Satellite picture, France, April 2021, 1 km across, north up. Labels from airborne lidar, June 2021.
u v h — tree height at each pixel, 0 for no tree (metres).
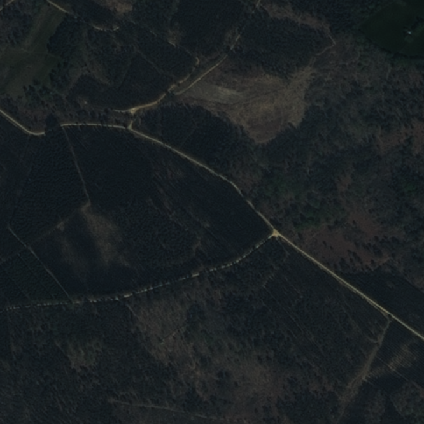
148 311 11
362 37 19
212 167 18
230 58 18
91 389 8
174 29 20
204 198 8
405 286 11
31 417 13
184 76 19
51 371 15
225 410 7
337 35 9
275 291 9
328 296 9
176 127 18
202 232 14
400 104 11
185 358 13
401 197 17
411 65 11
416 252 12
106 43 23
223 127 11
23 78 0
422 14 0
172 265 19
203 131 10
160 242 21
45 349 15
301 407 23
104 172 12
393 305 11
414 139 11
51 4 0
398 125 7
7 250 11
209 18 10
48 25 0
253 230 11
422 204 6
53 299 15
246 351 7
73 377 12
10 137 9
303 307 19
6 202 11
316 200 19
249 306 16
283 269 10
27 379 12
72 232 10
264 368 9
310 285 11
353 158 23
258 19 17
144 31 17
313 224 13
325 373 19
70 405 13
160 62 18
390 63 11
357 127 14
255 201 10
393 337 8
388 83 14
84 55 16
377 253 15
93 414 14
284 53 18
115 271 9
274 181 22
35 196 19
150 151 10
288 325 10
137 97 11
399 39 0
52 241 10
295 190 22
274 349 14
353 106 10
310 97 6
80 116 15
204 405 10
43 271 15
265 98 0
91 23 20
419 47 0
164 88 11
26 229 20
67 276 10
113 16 7
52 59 0
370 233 0
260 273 14
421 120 12
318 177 18
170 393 14
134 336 14
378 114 15
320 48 18
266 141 0
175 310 14
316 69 6
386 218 8
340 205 20
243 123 0
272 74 17
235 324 17
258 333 12
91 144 11
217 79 0
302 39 17
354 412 7
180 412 9
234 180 18
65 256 7
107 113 15
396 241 16
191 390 7
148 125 15
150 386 15
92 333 18
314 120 18
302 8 12
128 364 15
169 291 22
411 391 8
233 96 0
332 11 9
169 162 6
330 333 21
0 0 6
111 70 20
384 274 10
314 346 10
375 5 13
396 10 0
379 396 12
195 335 17
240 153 26
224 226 11
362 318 11
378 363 9
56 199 18
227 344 13
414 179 15
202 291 12
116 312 15
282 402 18
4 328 16
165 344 12
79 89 10
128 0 11
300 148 18
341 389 14
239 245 10
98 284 9
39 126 13
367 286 10
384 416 9
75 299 15
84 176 11
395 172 12
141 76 10
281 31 18
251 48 10
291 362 12
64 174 17
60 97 6
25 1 9
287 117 0
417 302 13
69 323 11
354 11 9
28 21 19
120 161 13
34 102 11
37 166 16
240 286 21
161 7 22
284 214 15
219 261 12
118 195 13
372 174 9
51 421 14
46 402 13
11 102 15
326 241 0
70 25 18
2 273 16
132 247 7
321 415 22
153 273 11
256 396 9
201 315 26
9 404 10
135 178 12
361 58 10
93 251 8
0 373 10
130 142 13
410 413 14
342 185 15
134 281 8
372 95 12
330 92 7
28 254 15
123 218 18
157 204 13
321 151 21
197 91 0
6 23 6
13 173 9
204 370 12
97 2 8
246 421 6
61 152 18
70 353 13
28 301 16
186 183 9
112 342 16
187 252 19
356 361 18
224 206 10
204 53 9
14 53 0
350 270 14
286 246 10
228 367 11
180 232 18
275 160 18
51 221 19
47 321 16
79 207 19
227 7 10
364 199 12
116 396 17
